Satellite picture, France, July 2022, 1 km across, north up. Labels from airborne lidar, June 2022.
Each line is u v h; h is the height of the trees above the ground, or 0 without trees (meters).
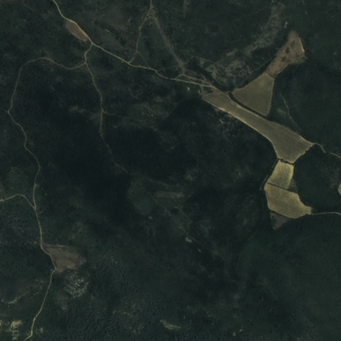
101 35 0
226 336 10
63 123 6
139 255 0
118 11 0
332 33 0
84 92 6
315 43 0
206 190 7
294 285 6
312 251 0
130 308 10
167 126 6
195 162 6
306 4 0
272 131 0
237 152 6
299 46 0
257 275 6
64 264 0
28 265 6
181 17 7
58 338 7
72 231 5
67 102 6
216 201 6
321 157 6
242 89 0
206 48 0
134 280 8
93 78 0
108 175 6
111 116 6
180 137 5
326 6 7
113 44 0
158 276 0
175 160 6
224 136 0
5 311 0
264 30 0
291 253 8
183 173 6
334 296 0
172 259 0
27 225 6
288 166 0
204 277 6
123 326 8
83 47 6
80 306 10
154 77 0
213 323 6
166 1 0
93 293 8
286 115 0
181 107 6
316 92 0
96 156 7
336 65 0
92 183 6
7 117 5
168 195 0
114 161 6
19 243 9
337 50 0
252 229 6
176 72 5
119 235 0
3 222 7
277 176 0
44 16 0
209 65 0
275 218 0
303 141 0
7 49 6
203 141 6
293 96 0
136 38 0
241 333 6
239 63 0
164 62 7
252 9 0
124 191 6
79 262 0
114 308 7
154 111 0
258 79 0
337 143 6
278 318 8
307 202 8
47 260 6
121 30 0
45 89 6
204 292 6
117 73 6
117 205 6
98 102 9
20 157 6
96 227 8
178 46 6
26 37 0
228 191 6
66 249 0
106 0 0
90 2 0
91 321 8
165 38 0
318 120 0
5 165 6
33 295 7
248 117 0
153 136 6
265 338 7
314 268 0
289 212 0
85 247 8
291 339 7
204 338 10
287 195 0
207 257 7
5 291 0
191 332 12
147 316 6
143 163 6
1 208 8
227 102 0
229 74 0
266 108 0
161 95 5
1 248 7
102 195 6
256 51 7
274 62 0
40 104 7
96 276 10
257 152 7
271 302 6
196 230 6
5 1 0
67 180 5
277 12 0
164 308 8
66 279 0
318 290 0
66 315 7
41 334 7
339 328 0
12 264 6
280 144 0
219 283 6
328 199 0
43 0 0
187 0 0
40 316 7
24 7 0
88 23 0
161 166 6
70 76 6
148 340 10
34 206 0
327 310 0
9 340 6
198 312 8
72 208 6
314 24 0
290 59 0
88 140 5
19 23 0
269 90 0
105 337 9
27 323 10
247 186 8
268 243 9
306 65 6
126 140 6
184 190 6
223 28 0
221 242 5
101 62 6
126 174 6
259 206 6
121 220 6
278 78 6
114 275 7
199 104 5
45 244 0
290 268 0
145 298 7
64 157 6
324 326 0
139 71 6
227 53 0
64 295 0
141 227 6
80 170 7
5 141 0
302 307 0
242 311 6
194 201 7
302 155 6
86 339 15
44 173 6
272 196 0
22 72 6
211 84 0
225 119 5
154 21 0
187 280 7
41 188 8
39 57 0
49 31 6
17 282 0
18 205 8
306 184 0
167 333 7
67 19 0
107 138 6
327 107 0
